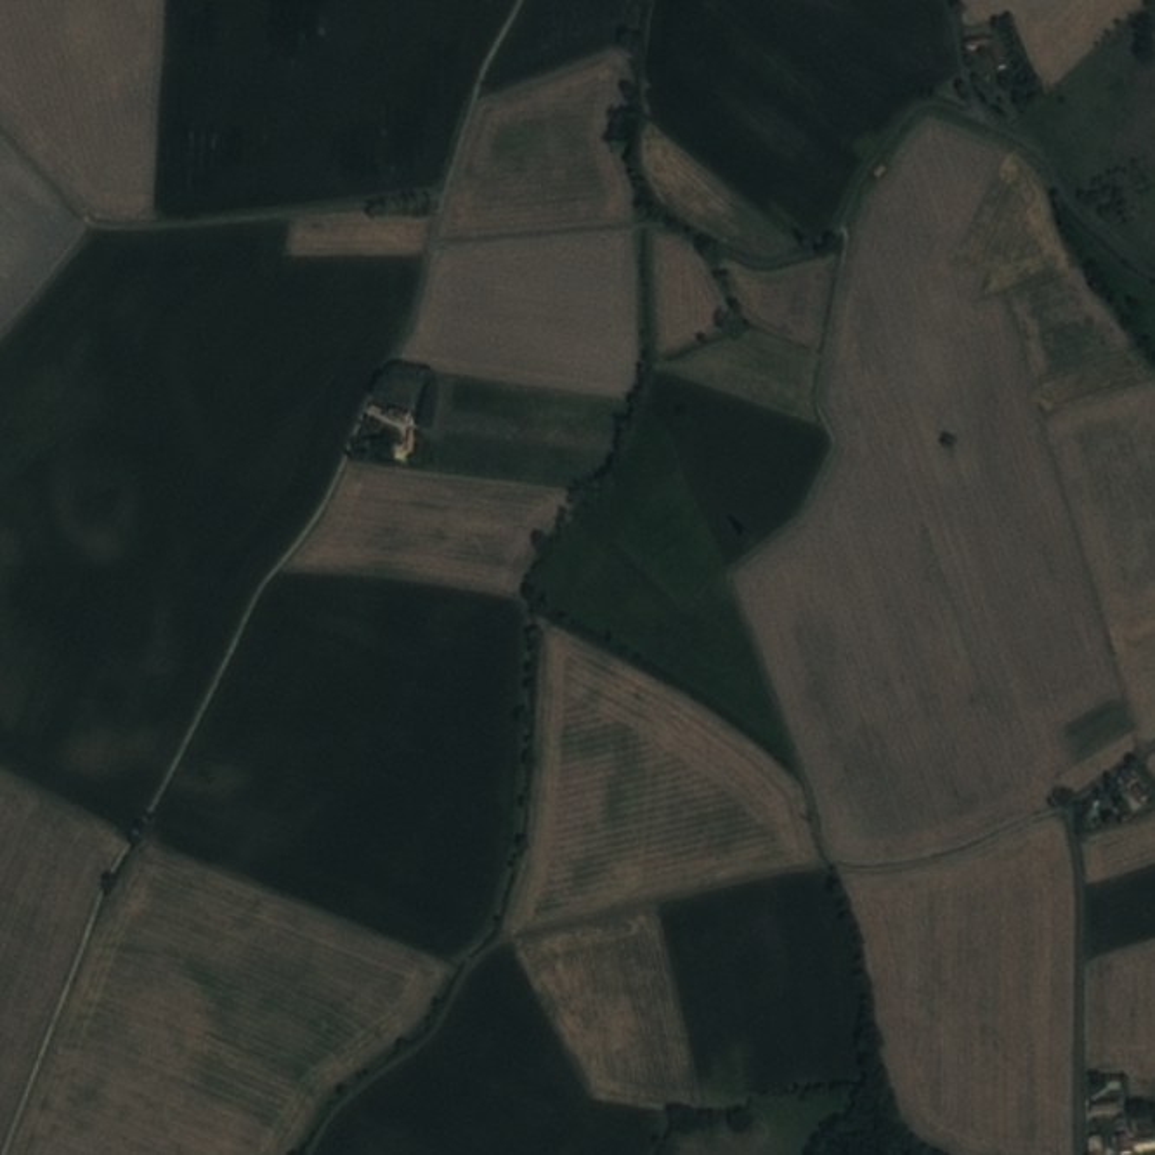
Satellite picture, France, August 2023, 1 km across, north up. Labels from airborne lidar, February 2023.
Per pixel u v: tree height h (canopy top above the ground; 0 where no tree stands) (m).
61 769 0
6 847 0
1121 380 0
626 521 0
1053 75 0
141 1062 0
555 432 0
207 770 0
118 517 0
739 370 0
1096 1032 0
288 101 0
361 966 0
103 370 0
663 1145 9
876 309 0
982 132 0
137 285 0
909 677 0
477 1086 0
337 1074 0
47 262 0
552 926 0
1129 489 0
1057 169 0
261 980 0
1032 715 0
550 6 0
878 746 0
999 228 0
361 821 0
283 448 0
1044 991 0
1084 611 0
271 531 0
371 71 0
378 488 0
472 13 0
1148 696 0
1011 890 0
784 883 0
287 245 0
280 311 0
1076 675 0
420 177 0
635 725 0
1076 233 12
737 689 0
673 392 0
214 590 0
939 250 0
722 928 0
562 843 0
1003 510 0
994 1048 0
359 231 0
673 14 0
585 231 0
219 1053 0
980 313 0
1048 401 0
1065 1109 0
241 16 0
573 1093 0
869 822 0
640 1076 0
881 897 0
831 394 0
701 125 0
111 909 0
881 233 0
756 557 0
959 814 0
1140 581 0
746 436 0
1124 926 0
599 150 0
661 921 0
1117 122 0
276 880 0
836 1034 0
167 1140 0
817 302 0
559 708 0
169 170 0
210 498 0
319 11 0
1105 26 0
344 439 0
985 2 0
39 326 0
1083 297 0
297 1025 0
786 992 0
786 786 0
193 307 0
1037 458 0
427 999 0
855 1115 16
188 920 0
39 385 0
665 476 0
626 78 0
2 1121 0
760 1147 0
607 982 0
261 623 0
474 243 0
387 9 0
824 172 0
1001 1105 0
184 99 0
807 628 0
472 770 0
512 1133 0
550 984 0
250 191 0
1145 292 0
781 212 0
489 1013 0
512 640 0
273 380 0
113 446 0
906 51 0
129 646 0
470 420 0
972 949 0
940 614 0
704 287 0
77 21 0
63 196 0
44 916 0
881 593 0
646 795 0
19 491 0
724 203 0
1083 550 0
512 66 0
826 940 0
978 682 0
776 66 0
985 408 0
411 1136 0
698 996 0
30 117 0
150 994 0
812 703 0
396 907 0
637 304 0
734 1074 0
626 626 0
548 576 0
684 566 0
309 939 0
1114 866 0
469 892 0
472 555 0
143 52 0
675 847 0
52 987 0
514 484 0
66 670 0
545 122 0
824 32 0
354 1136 0
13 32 0
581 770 0
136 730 0
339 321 0
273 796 0
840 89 0
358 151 0
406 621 0
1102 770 0
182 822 0
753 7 0
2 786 0
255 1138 0
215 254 0
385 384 17
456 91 0
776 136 0
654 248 0
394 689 0
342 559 0
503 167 0
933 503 0
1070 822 0
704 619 0
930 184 0
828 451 0
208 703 0
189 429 0
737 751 0
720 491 0
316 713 0
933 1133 0
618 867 0
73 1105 0
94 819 0
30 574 0
